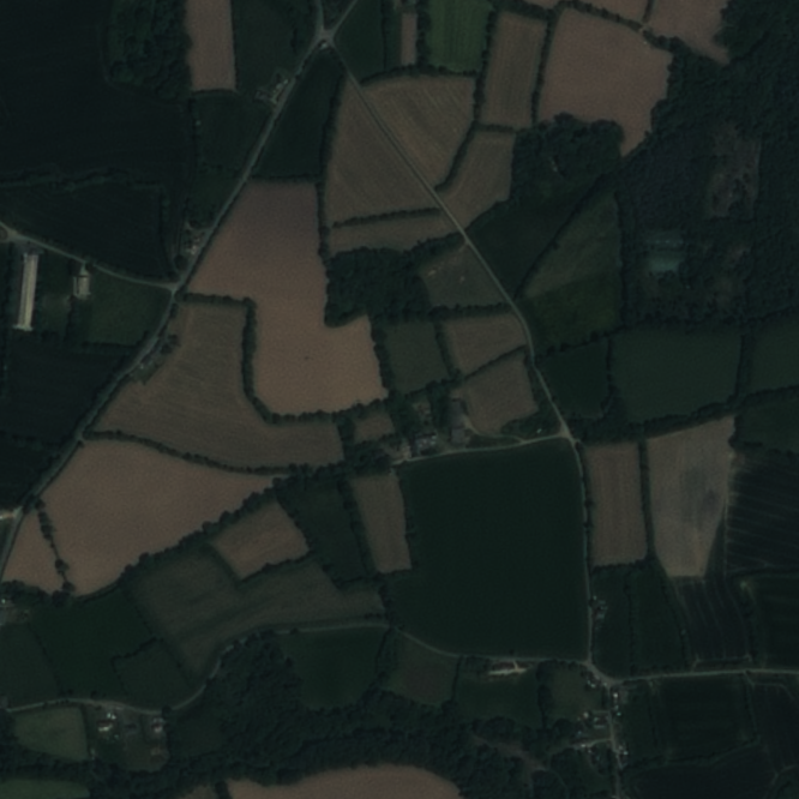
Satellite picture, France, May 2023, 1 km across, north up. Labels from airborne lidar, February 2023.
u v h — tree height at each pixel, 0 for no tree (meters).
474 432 0
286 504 13
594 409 0
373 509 0
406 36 0
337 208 0
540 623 0
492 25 10
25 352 0
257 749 16
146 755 0
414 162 0
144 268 0
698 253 8
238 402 0
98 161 0
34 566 0
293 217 0
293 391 0
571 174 22
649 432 13
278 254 0
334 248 0
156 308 0
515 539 0
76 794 0
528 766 0
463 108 0
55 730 0
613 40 0
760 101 17
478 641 0
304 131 0
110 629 0
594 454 0
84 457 0
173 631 0
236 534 0
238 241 0
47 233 0
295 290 0
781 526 0
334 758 21
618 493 0
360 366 0
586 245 0
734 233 15
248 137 0
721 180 0
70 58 0
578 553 0
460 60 0
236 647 16
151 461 0
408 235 0
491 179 0
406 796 0
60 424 0
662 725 0
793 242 7
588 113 0
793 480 0
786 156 14
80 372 0
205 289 0
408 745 18
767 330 15
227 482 0
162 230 13
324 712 9
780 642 0
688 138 16
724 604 0
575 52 0
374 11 0
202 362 0
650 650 0
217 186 0
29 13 0
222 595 0
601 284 0
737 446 14
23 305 0
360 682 0
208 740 0
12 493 0
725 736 0
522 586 0
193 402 0
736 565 0
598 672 0
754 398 11
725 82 13
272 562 0
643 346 0
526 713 0
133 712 0
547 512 0
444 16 0
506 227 0
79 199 0
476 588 0
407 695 0
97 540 0
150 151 0
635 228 15
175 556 7
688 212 10
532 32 0
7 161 0
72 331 12
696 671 0
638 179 14
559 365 0
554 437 0
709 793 0
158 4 13
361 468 15
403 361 0
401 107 0
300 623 0
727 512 0
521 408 0
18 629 0
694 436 0
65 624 0
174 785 14
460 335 0
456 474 0
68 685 0
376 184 0
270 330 0
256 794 0
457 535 0
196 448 0
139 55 13
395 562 0
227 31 0
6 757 23
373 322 13
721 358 0
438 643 0
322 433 0
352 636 0
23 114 0
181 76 18
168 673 0
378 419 0
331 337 0
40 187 0
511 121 0
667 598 7
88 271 11
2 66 0
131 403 0
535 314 0
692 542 0
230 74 0
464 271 0
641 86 0
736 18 13
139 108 0
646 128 0
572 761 13
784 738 0
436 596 0
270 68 0
